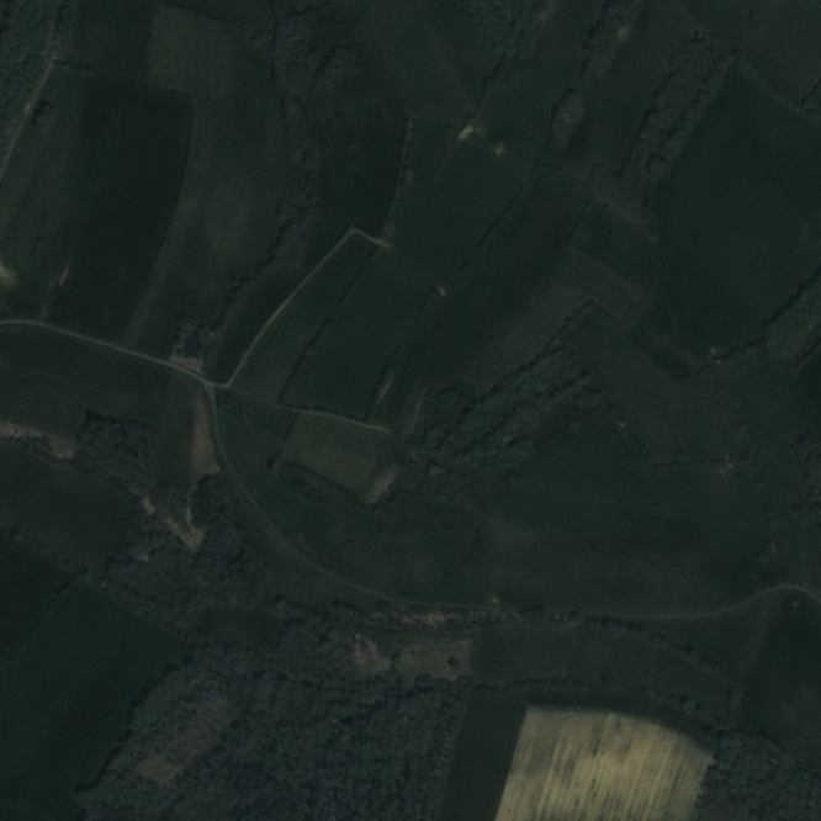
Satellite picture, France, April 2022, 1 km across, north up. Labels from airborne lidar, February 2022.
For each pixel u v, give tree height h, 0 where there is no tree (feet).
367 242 0
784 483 0
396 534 0
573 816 0
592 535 0
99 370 0
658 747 0
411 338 0
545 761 0
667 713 0
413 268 0
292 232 63
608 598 0
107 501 0
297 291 0
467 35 0
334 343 0
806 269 0
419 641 0
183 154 0
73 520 0
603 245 0
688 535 0
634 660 0
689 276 0
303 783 88
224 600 50
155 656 0
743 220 0
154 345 0
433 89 0
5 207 0
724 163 0
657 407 0
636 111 0
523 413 68
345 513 0
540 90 0
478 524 0
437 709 65
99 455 63
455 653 0
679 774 0
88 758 0
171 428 0
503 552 0
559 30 0
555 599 0
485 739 0
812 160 0
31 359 0
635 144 33
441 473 33
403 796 64
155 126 0
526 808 0
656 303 0
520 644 0
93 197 0
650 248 0
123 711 0
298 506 0
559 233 0
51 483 0
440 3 0
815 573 0
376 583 0
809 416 0
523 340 0
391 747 101
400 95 0
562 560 0
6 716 0
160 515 22
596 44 66
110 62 0
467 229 0
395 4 0
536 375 48
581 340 0
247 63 0
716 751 0
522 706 0
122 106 0
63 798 0
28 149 0
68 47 64
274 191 0
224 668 81
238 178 0
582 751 0
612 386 0
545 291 0
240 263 0
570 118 47
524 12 65
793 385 0
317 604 0
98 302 0
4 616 0
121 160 0
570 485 0
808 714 0
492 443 42
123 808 81
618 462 0
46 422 0
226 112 0
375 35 0
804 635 0
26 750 0
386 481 0
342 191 0
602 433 0
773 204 0
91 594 0
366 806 91
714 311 0
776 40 0
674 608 0
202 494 0
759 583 0
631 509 0
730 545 0
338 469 0
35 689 0
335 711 65
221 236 0
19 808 0
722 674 59
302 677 72
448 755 79
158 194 0
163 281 0
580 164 0
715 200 0
